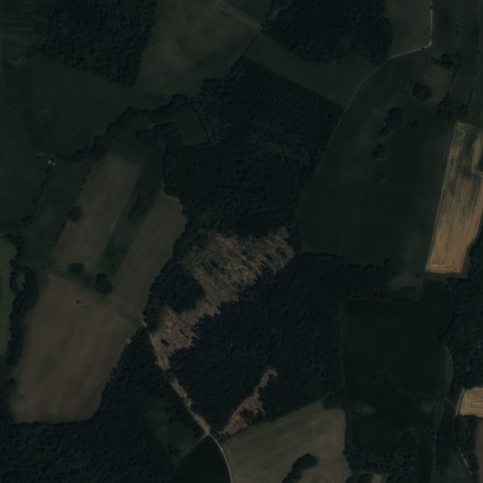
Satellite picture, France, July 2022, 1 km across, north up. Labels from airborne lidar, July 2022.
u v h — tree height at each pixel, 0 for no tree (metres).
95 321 0
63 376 0
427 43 0
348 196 0
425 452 0
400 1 0
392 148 0
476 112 0
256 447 0
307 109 7
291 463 0
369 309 0
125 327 0
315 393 27
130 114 9
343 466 0
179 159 24
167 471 15
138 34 25
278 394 28
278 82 11
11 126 0
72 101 0
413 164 0
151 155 0
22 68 0
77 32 27
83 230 0
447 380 0
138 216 8
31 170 0
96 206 0
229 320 24
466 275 0
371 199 0
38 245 0
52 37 18
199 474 0
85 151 14
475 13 0
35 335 0
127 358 9
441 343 10
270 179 26
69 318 0
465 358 12
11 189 0
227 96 20
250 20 0
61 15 27
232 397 26
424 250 0
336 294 25
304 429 0
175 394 18
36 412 0
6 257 0
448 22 0
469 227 0
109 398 21
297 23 13
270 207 28
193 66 0
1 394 18
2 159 0
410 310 0
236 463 0
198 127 0
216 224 19
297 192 20
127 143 0
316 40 22
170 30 0
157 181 0
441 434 8
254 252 29
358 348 0
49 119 0
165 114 18
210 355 28
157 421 0
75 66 17
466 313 17
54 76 0
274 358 27
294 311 23
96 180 0
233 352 27
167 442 0
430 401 8
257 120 24
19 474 23
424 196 0
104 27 23
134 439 12
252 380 26
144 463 13
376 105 0
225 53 0
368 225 0
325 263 24
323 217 0
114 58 20
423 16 0
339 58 7
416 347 0
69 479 27
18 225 0
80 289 0
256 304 23
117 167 0
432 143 0
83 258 0
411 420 0
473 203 0
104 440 8
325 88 0
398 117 19
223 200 29
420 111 0
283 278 25
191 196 11
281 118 7
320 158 27
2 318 0
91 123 0
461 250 0
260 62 0
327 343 25
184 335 26
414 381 0
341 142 0
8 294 0
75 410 0
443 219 0
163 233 0
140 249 0
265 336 23
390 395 0
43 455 23
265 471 0
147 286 0
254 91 10
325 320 24
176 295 28
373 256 0
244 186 25
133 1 31
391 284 0
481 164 0
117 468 11
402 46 0
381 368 0
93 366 0
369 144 0
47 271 0
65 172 0
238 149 16
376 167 0
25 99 0
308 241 0
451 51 0
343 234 0
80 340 0
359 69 0
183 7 0
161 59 0
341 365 14
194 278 30
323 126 9
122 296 0
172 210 0
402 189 0
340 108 7
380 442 0
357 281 29
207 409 22
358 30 20
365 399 0
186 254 27
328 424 0
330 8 21
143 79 0
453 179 0
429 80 0
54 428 14
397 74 0
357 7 18
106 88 0
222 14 0
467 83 0
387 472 13
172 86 0
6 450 22
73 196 0
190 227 18
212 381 22
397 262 0
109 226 0
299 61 0
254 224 13
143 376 14
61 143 0
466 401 0
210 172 16
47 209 0
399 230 0
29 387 0
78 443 13
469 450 15
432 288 0
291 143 24
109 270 0
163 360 0
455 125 0
